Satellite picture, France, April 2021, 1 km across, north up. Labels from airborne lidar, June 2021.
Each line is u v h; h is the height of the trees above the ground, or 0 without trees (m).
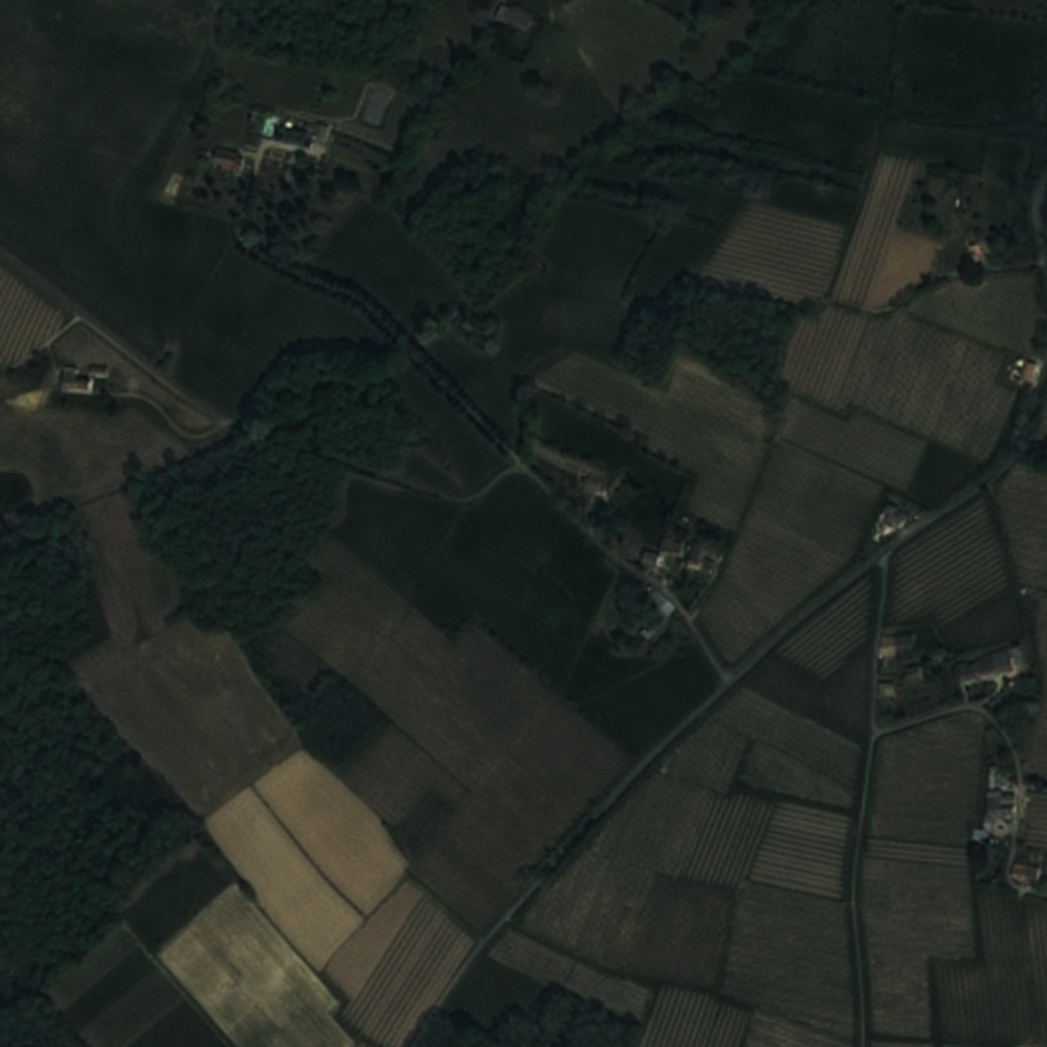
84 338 0
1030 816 0
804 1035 0
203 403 0
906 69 0
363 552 0
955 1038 0
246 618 18
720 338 21
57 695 14
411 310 0
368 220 0
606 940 0
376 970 0
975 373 0
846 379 0
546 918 0
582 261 0
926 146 0
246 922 0
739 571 0
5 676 22
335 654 0
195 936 0
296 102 0
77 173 0
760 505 0
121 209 0
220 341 0
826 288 0
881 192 0
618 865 0
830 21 0
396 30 26
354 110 0
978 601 0
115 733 17
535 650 0
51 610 22
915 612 0
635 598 20
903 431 0
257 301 0
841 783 0
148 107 0
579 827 6
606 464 0
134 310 0
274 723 0
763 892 0
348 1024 0
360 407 27
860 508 0
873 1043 0
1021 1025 0
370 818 0
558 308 0
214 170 0
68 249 0
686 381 0
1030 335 0
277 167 8
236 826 0
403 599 0
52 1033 18
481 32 14
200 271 0
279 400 20
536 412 18
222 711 0
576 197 12
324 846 0
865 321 0
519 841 0
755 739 0
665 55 0
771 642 0
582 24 0
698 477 0
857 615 0
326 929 0
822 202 0
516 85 0
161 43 0
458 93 17
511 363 0
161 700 0
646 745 0
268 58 10
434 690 0
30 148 0
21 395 0
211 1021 0
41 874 19
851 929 0
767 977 0
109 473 0
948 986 0
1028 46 0
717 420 0
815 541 0
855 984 0
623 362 19
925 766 0
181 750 0
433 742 0
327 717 20
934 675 9
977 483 10
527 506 0
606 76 0
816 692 0
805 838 0
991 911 0
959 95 0
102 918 9
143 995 0
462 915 0
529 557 0
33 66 0
